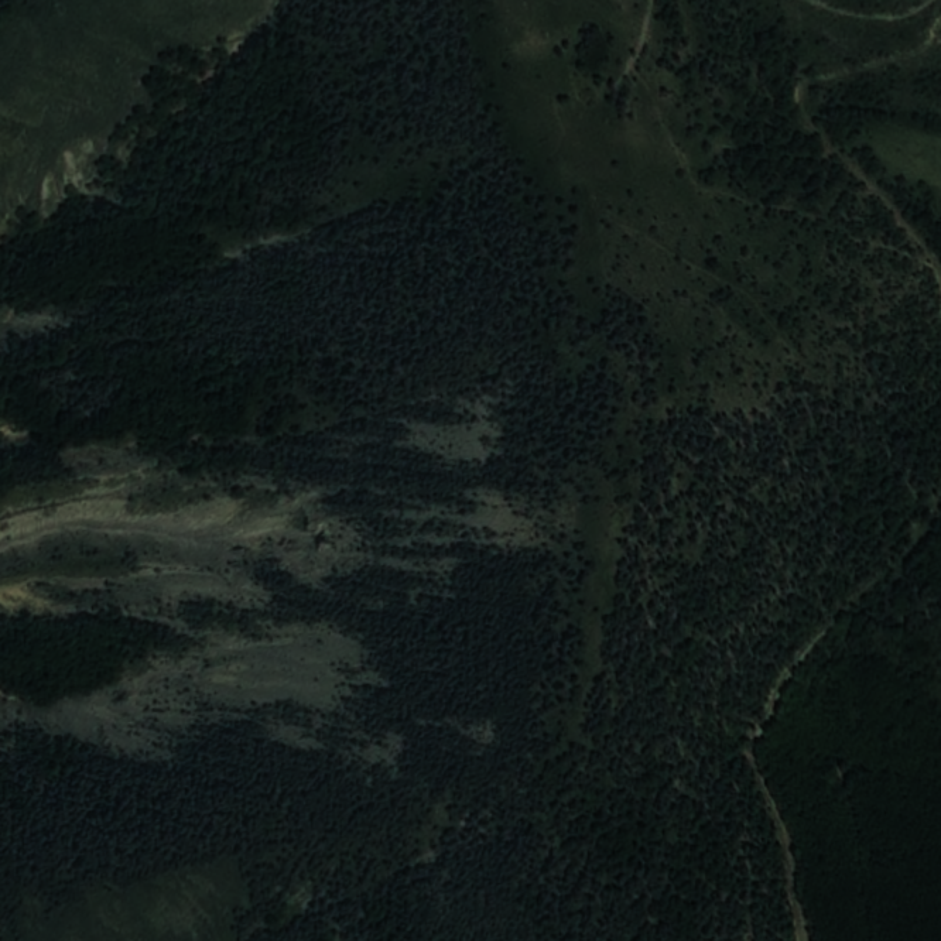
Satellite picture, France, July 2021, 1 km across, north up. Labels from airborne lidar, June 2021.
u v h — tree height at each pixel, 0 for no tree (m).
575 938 19
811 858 24
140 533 0
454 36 19
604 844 15
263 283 10
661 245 0
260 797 13
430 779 6
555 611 10
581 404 8
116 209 10
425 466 8
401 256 14
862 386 5
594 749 8
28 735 9
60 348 16
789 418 15
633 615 10
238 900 0
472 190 9
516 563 8
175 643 9
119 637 7
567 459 6
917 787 23
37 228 12
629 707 13
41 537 0
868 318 6
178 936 0
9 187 0
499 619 7
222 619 6
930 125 12
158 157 11
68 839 16
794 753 20
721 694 7
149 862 11
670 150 0
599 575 0
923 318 6
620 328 9
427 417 9
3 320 0
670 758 15
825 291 7
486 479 8
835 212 8
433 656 7
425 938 14
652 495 13
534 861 8
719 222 0
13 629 6
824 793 20
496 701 11
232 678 0
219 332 10
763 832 20
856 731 19
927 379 8
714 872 17
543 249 9
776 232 0
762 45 13
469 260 10
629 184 0
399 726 10
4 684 11
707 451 21
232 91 15
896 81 6
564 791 10
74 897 12
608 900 16
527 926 15
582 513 0
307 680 0
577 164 0
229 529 0
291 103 20
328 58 9
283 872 10
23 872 12
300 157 13
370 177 0
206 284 7
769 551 12
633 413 0
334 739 7
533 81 0
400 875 8
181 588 0
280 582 8
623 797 11
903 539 15
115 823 15
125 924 0
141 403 18
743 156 10
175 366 8
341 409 10
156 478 0
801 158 9
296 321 8
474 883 8
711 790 15
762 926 13
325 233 8
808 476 22
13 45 0
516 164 13
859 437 13
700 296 0
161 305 8
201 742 9
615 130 0
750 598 15
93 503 0
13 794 15
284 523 0
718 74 8
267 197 6
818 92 14
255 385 19
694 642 17
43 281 12
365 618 15
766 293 8
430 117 9
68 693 12
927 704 20
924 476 9
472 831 13
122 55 0
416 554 9
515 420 8
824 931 21
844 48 0
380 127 12
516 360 10
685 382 0
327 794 12
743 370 10
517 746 10
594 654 0
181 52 12
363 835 9
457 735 8
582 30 7
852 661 10
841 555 17
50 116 0
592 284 8
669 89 11
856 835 18
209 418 16
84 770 14
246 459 9
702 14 7
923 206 7
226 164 16
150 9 0
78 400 14
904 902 26
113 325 8
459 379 8
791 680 13
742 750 18
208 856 12
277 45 16
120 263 17
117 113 0
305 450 8
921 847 24
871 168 9
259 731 8
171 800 15
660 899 12
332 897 15
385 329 10
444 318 14
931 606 12
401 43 14
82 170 0
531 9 0
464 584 8
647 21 0
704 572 15
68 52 0
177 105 8
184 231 18
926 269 6
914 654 15
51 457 10
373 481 7
